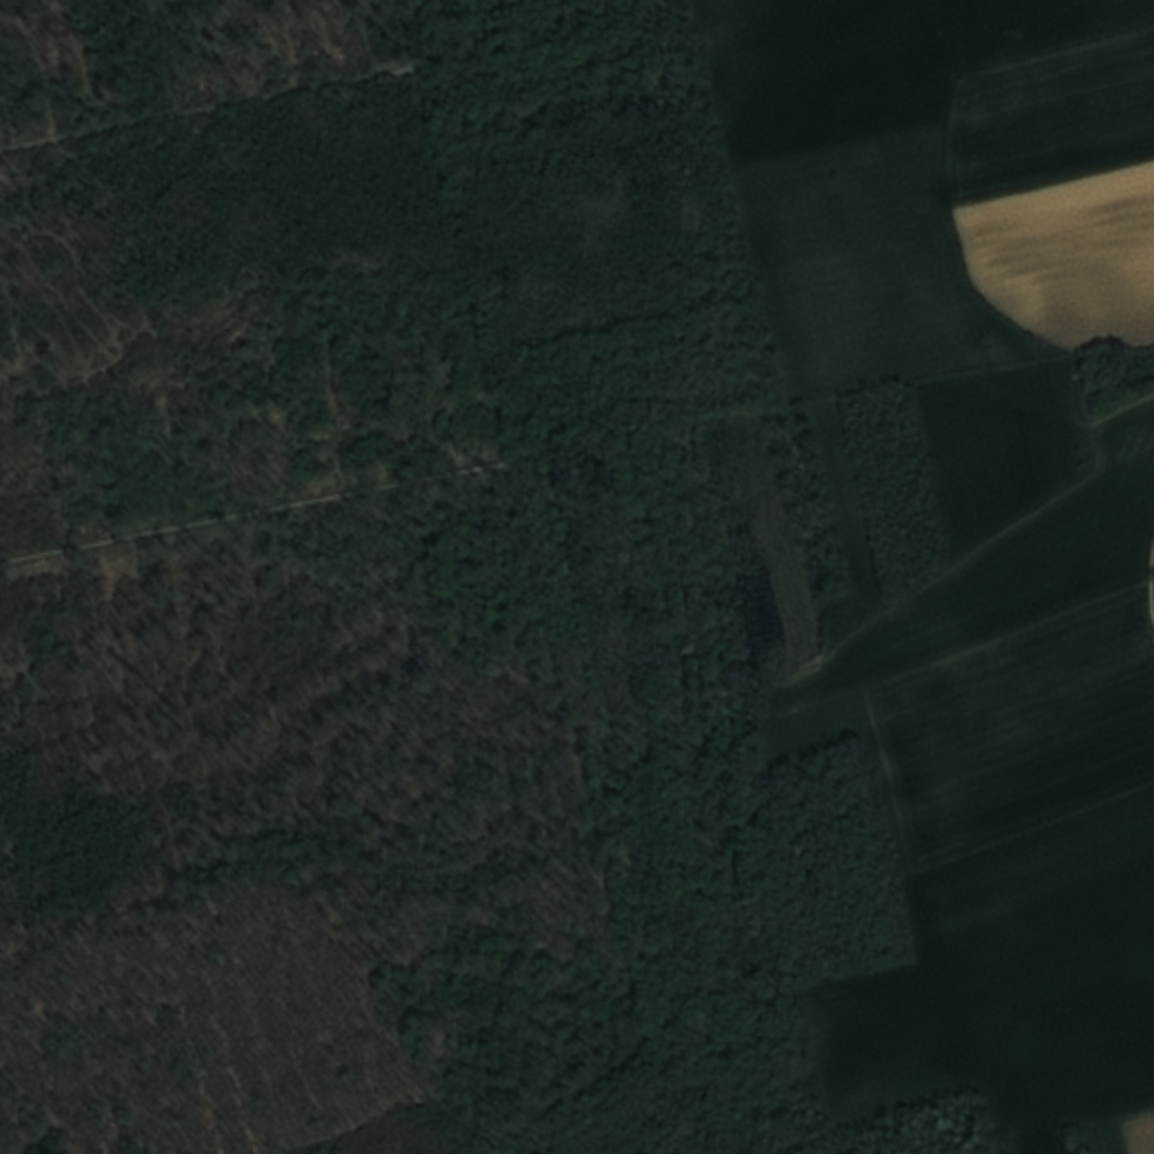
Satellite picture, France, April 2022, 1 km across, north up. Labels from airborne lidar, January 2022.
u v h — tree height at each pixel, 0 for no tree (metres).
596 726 30
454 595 21
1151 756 0
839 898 18
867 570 0
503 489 27
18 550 10
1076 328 0
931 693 0
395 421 30
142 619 32
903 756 0
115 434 28
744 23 0
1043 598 0
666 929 25
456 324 13
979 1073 0
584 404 23
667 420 19
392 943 33
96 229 11
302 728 20
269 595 28
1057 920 0
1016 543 0
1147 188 0
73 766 12
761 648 18
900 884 19
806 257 0
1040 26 0
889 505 9
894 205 0
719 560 18
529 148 18
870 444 12
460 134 27
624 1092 13
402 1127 8
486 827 34
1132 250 0
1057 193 0
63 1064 23
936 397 0
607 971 29
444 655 33
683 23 19
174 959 22
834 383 0
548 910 34
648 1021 22
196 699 13
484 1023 30
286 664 11
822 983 14
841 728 0
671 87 18
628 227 15
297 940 22
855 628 0
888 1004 0
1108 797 0
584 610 21
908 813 0
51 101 32
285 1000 19
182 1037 24
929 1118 19
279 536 24
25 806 11
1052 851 0
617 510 23
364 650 32
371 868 11
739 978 12
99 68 10
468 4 25
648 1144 16
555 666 26
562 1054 23
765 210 0
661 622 24
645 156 15
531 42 24
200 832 32
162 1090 23
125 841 17
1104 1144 0
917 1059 0
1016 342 0
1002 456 0
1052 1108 0
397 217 13
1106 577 0
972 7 0
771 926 13
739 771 27
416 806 34
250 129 9
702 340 24
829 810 23
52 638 13
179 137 8
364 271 7
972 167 0
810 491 19
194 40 30
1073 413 0
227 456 25
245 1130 20
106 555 0
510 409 26
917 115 0
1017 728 0
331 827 6
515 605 22
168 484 24
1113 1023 0
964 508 0
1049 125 0
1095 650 0
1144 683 0
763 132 0
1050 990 0
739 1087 17
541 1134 29
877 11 0
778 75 0
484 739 25
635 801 25
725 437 0
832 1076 0
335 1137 18
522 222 15
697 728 23
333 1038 22
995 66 0
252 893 24
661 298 16
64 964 25
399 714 32
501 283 15
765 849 17
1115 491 0
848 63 0
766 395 19
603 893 34
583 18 14
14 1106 24
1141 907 0
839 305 0
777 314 0
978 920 0
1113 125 0
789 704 0
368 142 9
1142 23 0
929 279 0
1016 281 0
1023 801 0
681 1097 11
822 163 0
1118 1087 0
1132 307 0
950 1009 0
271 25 30
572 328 17
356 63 30
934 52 0
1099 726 0
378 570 30
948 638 0
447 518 22
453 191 24
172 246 16
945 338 0
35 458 8
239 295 11
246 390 21
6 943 11
